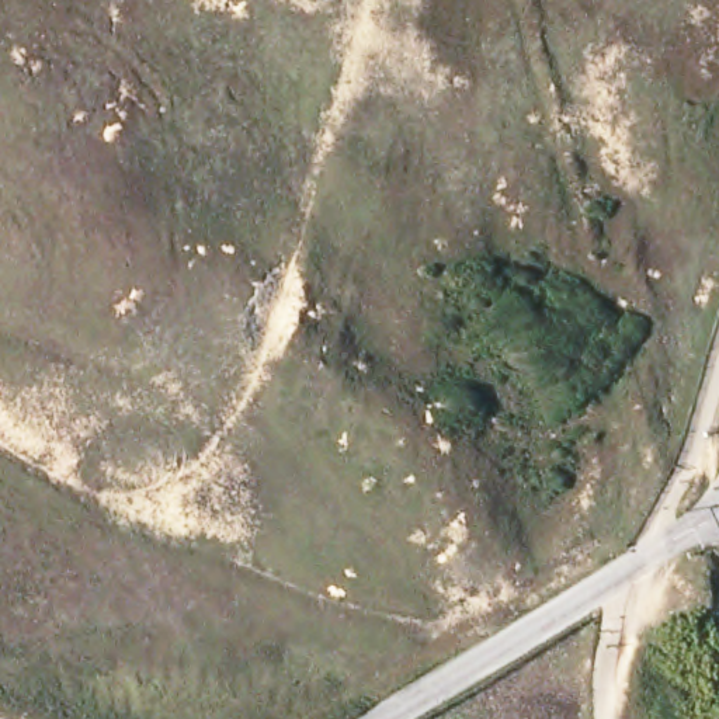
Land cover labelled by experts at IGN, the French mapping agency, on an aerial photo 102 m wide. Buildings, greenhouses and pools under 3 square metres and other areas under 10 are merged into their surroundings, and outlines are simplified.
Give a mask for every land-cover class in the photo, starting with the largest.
<instances>
[{"label":"herbaceous vegetation","instance_id":"1","mask_svg":"<svg viewBox=\"0 0 719 719\"><path fill-rule=\"evenodd\" d=\"M247 8V14L239 20L230 11L194 8L191 0H0V385L67 388V402L76 404L81 416H98L107 424L104 430H95L90 438H79L73 447L79 458L76 469L81 477L79 489H70L48 477L42 469H34L17 455L0 449V719H362L388 697L410 688L421 677L438 671L441 666H447L449 660L461 657L475 646L466 640L472 624L466 618L447 629L441 638H427L416 626L388 621L390 615H416L438 621L441 615H447V598H438L433 590L435 570L441 565L427 548L410 542L413 531H444L458 514H466V534L477 545L494 534L503 545V553L525 562L539 545L550 539V531L542 522V511L556 506L567 492L576 489L581 466L598 455V444L609 441L612 447H621L624 441H635L643 449L652 447L657 435L671 433L688 441L694 433L699 396L708 376V357L713 351L719 354V101H708L702 110L677 101L668 79H654L652 56L640 48L626 45L624 59H618L615 65L626 73V87L618 90V101L609 107V126H618L626 115L635 112V124L629 129V152L657 166L652 191L640 197L615 185V180L601 169L598 160L601 138H593L587 129L565 124V138L556 140L550 132L542 90H548L550 84L556 87L562 110L573 104V93L570 84L562 79V67L550 48V39L565 25H570L573 31H590V20L598 14L593 0H421L418 37L430 42V59L435 65L449 67L444 93L438 98H421L416 93L390 98L371 95L365 90L362 98L351 104V112L343 121V132L334 138V149L323 163V171L317 174V211L312 216H303L301 191L306 171L312 166L317 135L323 132L320 115L331 107L334 87L340 81L343 56L331 48L329 31L334 22L329 20V14L301 11L278 0H236ZM121 81H129L126 124L112 140H104V126H110L118 115L107 110V101L121 95ZM497 177L508 183L506 199L525 205L522 227H508V213L500 205H494ZM598 194H612L621 199V211L609 222L604 239H595L590 227V205L598 199ZM295 242L306 244V264L301 267L303 306L298 315V329L292 331L284 357L270 362V376L256 390L239 424L230 430L227 438L219 441L222 447H230L233 458H239L247 469L242 480L250 492L253 508V517L244 522L247 536L236 542H222L205 534L154 536L146 522L121 525L118 514L98 503L104 492L101 463H115L132 472L138 463H143L146 449L152 447L163 452L166 461H174L180 466L194 461L202 452V447L213 438V433L225 424V410L233 402V393L244 385L247 374L242 351H258L267 326L256 317L250 301L253 284L281 270L289 264ZM534 250L545 253L550 264L562 270L587 275L598 289L615 298L621 309H638L652 320V337L646 340L638 360L626 365L624 379L612 388V393L567 421H562L565 407L570 404L565 368L542 365V357L534 348L536 329H525L534 312L520 298L506 295L503 289L492 292L489 309L480 306L475 298L477 284L486 275H492V261L497 256H508L511 261L528 264ZM477 379L494 388L500 413L492 418L486 438H472V444L458 438L455 444H449L444 438V424H455L461 416L472 410L469 385ZM674 573H680L685 581L677 587L668 584L663 601V612L668 615L688 609L702 612L713 604V598L719 604V542L688 548L680 553ZM604 615L593 612L418 719H595L593 682Z\"/></svg>","mask_w":719,"mask_h":719},{"label":"bare soil","instance_id":"2","mask_svg":"<svg viewBox=\"0 0 719 719\"><path fill-rule=\"evenodd\" d=\"M194 8L230 11L239 20L247 14V8L236 0H191ZM301 11L329 14V20L334 22L329 31L331 48L343 56L351 48V39H345V20L360 17V0H278ZM421 0H379L371 20L376 28L390 31V42L385 51L365 53V90L371 95L390 98L416 93L421 98H438L444 93L449 67L435 65L430 59V42L418 37ZM598 14L590 20V31H573L570 25H565L550 39V48L562 67V79L570 84L573 93V104L562 110L556 87L550 84L548 90H542L550 132L556 140L565 138V124L587 129L593 138H601L598 160L601 169L615 180V185L640 197L652 191L657 166L629 152V129L635 124V112L626 115L618 126H609V107L618 101V90L626 87V73L615 65L618 59H624L626 45L640 48L652 56L654 79H668L677 101L702 110L708 101H719V0H593ZM129 81H121V95L107 101V110L118 115L110 126H104V140H112L126 124ZM508 183L497 177L494 205H500L508 213V227H522L525 205L506 199ZM284 281L281 270L253 284L250 301L256 317L267 326ZM0 402L6 404V413L14 421L42 416L48 427L56 430V441L73 447L79 438H90L95 430H104L107 424L98 416H81L76 404L67 402V388L0 385ZM688 449V441L671 433L657 435L652 447L643 449L635 441H624L621 447H612L609 441L598 444V455L581 466L576 489L567 492L556 506L542 511V522L550 531V539L539 545L525 562L503 553V545L494 534L477 545L466 534V514H458L444 531H413L410 542L427 548L441 565L435 570L433 590L438 598H447V615H441L438 621L416 615H390L388 621L416 626L427 638H441L447 629L466 618L472 624L466 640L475 646L494 638L500 629L520 621L522 615L545 607L579 581L590 579L618 556L629 553L646 534L663 494L668 492ZM157 466L174 472L180 466L174 461H166L163 452L152 447L146 449L143 463H138L132 472L115 463H101L104 492H138L143 486H152V472Z\"/></svg>","mask_w":719,"mask_h":719},{"label":"pervious surface","instance_id":"3","mask_svg":"<svg viewBox=\"0 0 719 719\"><path fill-rule=\"evenodd\" d=\"M379 0H360V17L345 20V39H351V48L343 56L340 81L334 87L331 107L320 115L323 132L317 135L312 166L306 171L301 191L303 216H312L317 211V174L323 171V163L334 149V138L343 132V121L351 112V104L362 98L365 90V53L385 51L390 42V31L376 28L371 20ZM306 264V244L295 242L289 264L281 270L284 281L267 326L258 351H242L247 374L244 385L233 393V402L225 410V424L213 433V438L202 447V452L194 461L180 466L174 472L157 466L152 472V486H143L138 492H104L98 503L118 514L121 525L146 522L154 536L205 534L222 542H236L247 536L244 522L253 517V508L250 492L242 480L247 469L239 458H233L230 447H222L219 441L227 438L230 430L239 424L256 390L270 376V362L284 357L292 331L298 329V315L303 306L301 267ZM719 542V354L713 351L708 357V376L699 396L694 433L688 441V449L668 492L663 494L646 534L629 553L618 556L590 579L579 581L545 607L522 615L520 621L500 629L494 638L475 646L461 657L449 660L447 666H441L438 671L421 677L410 688L388 697L362 719H418L593 612L604 615L593 682L595 719H618L626 699L638 638L646 626L666 621L668 615L663 612V601L668 584L677 587L685 581L680 573H674L680 553L688 548ZM0 449L17 455L34 469H42L48 477L70 489H79L81 477L76 469L79 458L73 447L56 441V430L48 427L42 416L14 421L6 413V404L0 402Z\"/></svg>","mask_w":719,"mask_h":719},{"label":"brushwood","instance_id":"4","mask_svg":"<svg viewBox=\"0 0 719 719\"><path fill-rule=\"evenodd\" d=\"M621 211V199L612 194H598V199L590 205V227L595 239H604L609 222ZM503 289L506 295L520 298L534 312L525 329H536L534 348L542 357V365L565 368L570 404L565 407L562 421H567L612 393V388L624 379L626 365L638 360L646 340L652 337V320L638 309H621L615 298L598 289L587 275L562 270L550 264L545 253L534 250L528 264L511 261L508 256H497L492 261V275H486L477 284L475 298L480 306L489 309L492 292ZM472 410L461 416L455 424H444V438L449 444H455L458 438L472 444V438H486L492 418L500 413L494 388L477 379L469 385ZM618 719H719V604L713 598V604L702 612L688 609L668 615L666 621L646 626L638 638L626 699Z\"/></svg>","mask_w":719,"mask_h":719}]
</instances>
